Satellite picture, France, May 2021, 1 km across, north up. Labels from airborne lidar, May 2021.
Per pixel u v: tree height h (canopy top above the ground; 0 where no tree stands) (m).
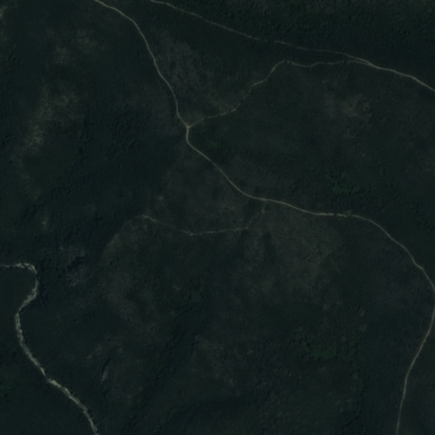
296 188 7
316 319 6
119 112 5
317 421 9
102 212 6
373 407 6
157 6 5
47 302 14
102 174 6
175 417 7
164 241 5
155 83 7
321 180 7
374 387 6
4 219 5
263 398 6
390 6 9
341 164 6
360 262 6
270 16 17
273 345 7
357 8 12
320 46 9
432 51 7
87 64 6
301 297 6
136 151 8
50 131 6
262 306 6
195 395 5
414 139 7
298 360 7
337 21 11
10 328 8
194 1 14
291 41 6
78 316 5
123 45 6
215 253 6
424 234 7
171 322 6
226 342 7
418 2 6
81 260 15
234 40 5
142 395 15
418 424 7
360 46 7
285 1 6
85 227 6
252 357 7
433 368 6
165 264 5
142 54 6
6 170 8
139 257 6
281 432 9
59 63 6
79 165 6
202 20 7
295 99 5
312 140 7
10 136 14
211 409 6
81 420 11
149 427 6
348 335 8
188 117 0
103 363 5
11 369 7
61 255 5
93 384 6
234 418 6
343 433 21
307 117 6
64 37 5
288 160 7
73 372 7
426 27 9
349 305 6
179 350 5
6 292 9
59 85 7
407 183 7
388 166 7
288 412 10
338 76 8
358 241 7
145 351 9
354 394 6
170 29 6
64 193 10
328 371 6
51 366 7
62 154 6
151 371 10
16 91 7
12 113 6
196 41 6
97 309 6
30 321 5
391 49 7
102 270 9
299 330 11
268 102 7
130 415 11
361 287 6
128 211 5
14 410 9
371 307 6
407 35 12
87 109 6
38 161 6
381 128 6
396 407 8
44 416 9
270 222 0
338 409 10
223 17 10
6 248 17
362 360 5
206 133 7
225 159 5
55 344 7
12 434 6
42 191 7
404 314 6
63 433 9
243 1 7
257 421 8
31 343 11
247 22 10
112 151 5
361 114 9
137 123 7
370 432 8
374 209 6
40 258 9
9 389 8
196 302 6
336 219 5
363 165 5
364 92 6
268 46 7
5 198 7
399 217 5
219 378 7
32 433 9
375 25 8
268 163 6
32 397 9
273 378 8
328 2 9
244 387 6
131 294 6
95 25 5
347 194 7
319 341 8
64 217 6
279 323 6
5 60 6
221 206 0
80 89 6
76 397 15
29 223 8
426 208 5
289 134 6
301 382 12
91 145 6
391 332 6
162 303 9
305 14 17
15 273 8
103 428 10
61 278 14
